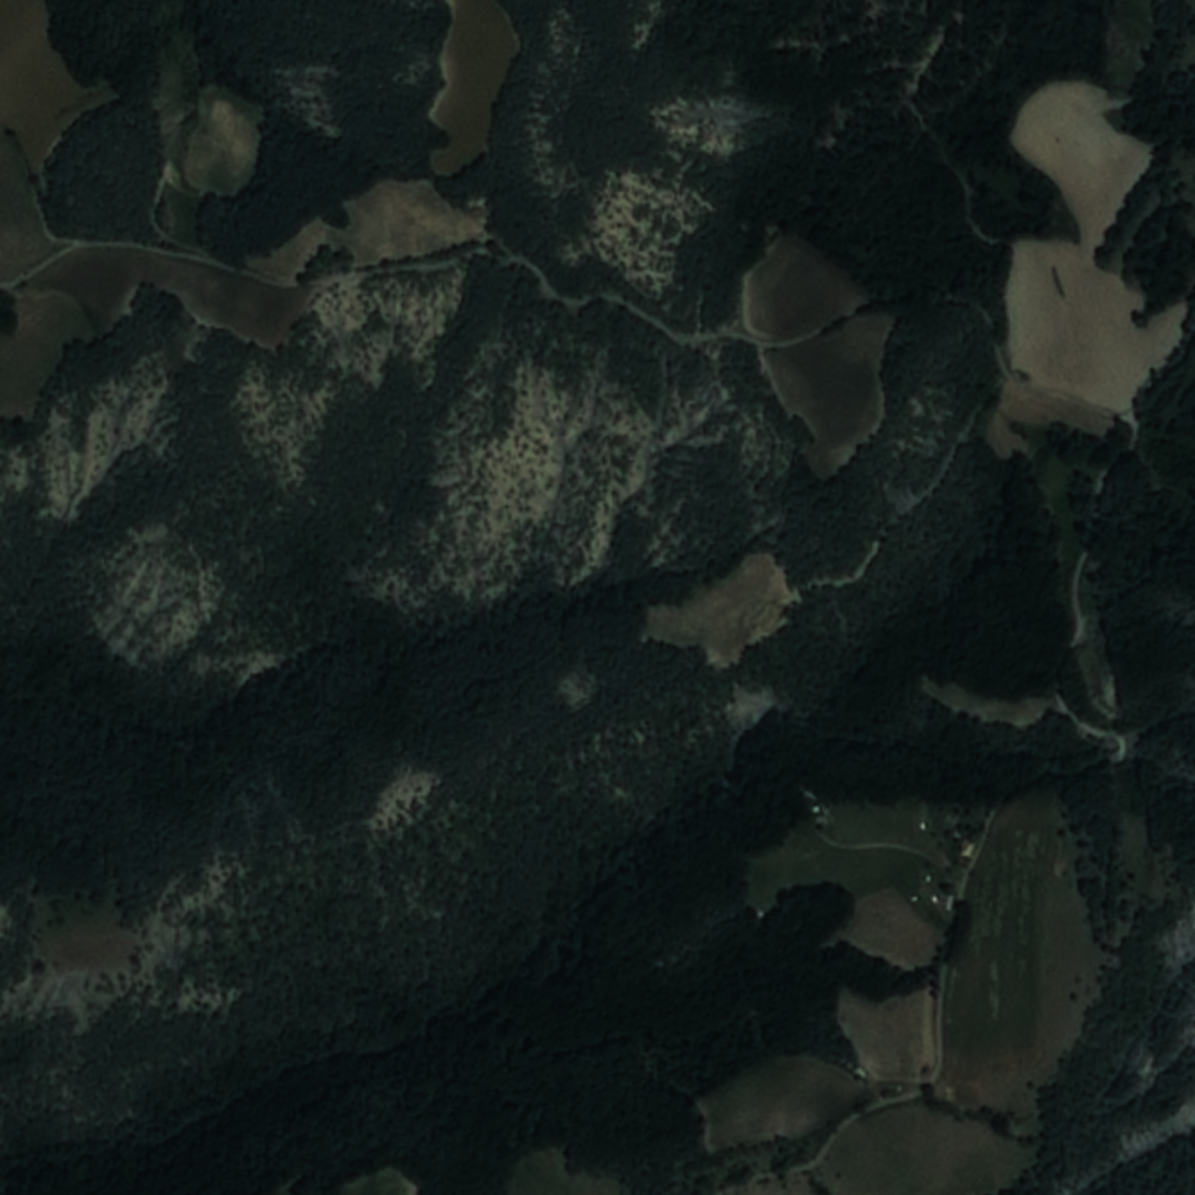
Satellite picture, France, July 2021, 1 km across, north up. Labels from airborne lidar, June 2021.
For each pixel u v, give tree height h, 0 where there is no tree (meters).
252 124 0
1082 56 9
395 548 6
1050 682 19
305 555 8
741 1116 0
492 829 9
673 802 8
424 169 8
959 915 11
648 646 8
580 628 17
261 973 11
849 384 0
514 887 16
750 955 20
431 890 10
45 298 0
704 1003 20
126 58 12
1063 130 0
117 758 16
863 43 17
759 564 0
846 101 16
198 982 6
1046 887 0
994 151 10
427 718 12
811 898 18
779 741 16
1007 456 0
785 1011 21
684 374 7
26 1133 12
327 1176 10
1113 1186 10
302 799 9
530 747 6
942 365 7
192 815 10
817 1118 0
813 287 0
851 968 29
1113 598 8
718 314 6
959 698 0
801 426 6
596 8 11
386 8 9
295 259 0
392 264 6
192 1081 12
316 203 12
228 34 10
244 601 7
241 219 14
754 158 7
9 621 11
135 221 6
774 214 20
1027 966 0
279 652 8
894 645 24
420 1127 17
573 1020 18
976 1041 0
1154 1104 8
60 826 15
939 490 7
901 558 7
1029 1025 0
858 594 9
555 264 6
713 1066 7
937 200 9
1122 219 13
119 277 0
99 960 0
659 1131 16
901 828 0
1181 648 14
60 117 0
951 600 18
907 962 0
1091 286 0
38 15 0
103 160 7
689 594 10
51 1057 7
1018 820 0
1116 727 10
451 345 9
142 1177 17
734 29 15
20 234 0
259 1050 12
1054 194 7
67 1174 22
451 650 15
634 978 18
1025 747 11
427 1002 15
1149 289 17
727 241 14
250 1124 14
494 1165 15
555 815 9
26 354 0
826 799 11
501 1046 28
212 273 0
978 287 10
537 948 6
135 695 10
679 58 10
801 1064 0
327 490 7
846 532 7
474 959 14
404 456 8
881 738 15
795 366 0
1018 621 27
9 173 0
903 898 0
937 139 7
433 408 6
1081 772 8
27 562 8
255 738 11
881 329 0
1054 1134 9
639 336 8
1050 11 26
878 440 6
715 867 21
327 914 10
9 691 11
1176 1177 11
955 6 15
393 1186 0
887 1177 0
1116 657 18
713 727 7
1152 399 7
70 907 0
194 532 8
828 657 10
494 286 8
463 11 0
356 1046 11
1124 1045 10
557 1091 25
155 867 7
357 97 6
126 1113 8
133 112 7
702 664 8
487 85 0
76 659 10
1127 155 0
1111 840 9
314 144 12
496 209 9
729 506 7
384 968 6
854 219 7
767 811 21
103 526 6
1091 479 13
